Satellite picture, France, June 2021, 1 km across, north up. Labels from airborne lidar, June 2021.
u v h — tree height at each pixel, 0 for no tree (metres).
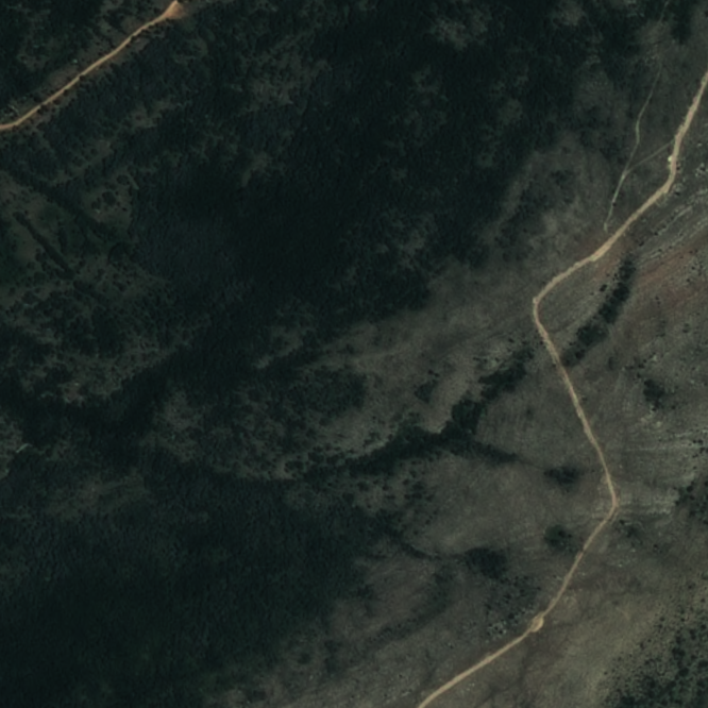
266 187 8
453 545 0
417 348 0
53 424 13
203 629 10
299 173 7
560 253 0
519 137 8
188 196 13
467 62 10
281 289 7
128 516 9
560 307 0
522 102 7
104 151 0
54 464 7
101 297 8
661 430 0
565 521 0
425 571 0
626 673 0
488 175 9
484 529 0
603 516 0
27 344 10
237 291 10
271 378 6
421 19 10
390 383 0
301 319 6
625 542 0
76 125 12
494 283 0
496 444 0
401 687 0
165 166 8
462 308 0
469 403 9
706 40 0
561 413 0
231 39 8
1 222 8
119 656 8
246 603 8
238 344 11
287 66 5
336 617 0
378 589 0
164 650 7
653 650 0
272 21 7
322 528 7
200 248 11
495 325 0
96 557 8
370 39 11
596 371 0
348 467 5
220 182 11
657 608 0
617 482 0
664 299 0
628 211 0
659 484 0
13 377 6
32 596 9
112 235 15
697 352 0
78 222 10
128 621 5
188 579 10
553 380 0
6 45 11
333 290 8
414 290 5
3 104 8
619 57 7
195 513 12
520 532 0
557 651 0
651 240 0
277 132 9
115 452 10
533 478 0
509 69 9
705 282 0
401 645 0
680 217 0
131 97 8
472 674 0
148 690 8
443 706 0
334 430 0
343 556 6
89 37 6
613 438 0
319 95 11
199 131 6
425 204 6
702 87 0
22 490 8
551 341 0
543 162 0
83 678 9
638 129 0
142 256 9
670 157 0
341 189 12
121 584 7
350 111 7
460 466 0
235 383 9
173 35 10
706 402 0
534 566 0
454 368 0
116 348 8
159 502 6
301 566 7
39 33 9
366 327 0
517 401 0
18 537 8
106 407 11
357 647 0
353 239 8
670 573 0
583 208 0
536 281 0
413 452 8
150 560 7
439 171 6
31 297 9
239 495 12
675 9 8
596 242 0
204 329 8
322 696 0
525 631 0
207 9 7
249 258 12
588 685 0
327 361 0
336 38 11
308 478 10
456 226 7
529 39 11
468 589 0
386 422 0
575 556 0
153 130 12
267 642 10
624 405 0
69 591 8
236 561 10
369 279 8
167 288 10
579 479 0
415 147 7
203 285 11
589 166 0
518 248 0
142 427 8
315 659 0
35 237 8
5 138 10
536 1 12
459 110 11
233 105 9
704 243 0
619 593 0
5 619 10
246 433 5
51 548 9
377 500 0
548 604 0
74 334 9
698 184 0
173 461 11
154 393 6
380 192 8
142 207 9
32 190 6
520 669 0
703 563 0
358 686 0
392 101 11
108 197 13
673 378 0
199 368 9
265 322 7
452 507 0
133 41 9
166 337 7
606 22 8
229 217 12
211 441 9
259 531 8
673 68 0
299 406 6
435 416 0
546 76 7
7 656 12
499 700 0
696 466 0
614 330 0
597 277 0
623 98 0
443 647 0
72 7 9
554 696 0
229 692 0
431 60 9
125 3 7
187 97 7
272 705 0
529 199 8
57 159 7
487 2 8
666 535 0
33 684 14
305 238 12
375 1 8
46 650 8
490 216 6
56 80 0
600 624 0
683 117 0
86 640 10
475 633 0
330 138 8
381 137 11
